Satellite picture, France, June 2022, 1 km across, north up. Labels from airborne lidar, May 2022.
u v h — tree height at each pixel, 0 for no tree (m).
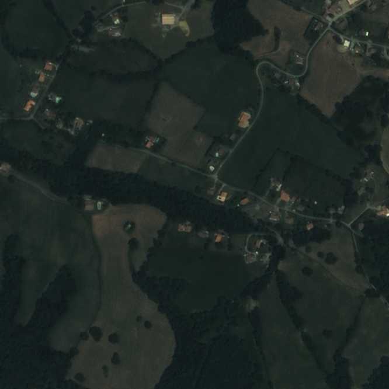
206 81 0
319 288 0
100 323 0
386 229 15
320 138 0
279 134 0
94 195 13
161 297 28
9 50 15
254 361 0
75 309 0
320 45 0
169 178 0
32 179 0
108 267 0
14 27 0
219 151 0
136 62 0
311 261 0
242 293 10
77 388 23
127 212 0
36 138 0
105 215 0
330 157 0
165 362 0
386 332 0
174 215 17
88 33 20
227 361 20
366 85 0
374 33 0
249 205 0
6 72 0
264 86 0
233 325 18
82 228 0
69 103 0
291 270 0
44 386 24
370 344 0
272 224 13
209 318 22
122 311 0
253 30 25
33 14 0
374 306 0
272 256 10
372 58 13
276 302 0
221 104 0
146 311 0
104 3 0
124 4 8
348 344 0
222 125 0
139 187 21
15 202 0
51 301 25
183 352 19
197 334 20
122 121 0
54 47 0
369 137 0
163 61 9
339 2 0
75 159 23
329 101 0
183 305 0
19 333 25
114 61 0
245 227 26
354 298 0
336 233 0
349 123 0
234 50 23
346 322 0
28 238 0
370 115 16
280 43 0
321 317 0
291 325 0
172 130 0
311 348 7
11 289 31
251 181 0
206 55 0
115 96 0
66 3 0
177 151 0
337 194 0
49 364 26
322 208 0
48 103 11
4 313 25
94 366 0
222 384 19
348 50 0
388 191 0
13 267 29
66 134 13
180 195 21
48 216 0
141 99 0
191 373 17
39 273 0
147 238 0
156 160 0
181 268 0
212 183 0
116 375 0
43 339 24
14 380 23
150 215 0
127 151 0
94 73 12
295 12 0
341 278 0
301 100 14
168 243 0
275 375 0
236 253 0
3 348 31
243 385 18
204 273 0
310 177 0
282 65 0
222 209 22
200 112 0
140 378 0
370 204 0
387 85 15
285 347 0
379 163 14
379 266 14
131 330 0
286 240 6
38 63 0
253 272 0
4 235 0
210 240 15
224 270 0
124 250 0
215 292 0
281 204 0
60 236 0
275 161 0
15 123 9
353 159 0
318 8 0
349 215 0
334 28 15
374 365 0
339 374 24
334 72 0
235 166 0
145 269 16
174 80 0
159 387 23
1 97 0
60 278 23
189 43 15
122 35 0
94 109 0
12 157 24
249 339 0
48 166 22
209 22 0
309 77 0
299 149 0
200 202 22
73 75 0
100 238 0
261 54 0
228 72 0
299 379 0
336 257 11
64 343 0
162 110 0
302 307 0
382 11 0
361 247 0
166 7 0
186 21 0
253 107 9
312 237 15
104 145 0
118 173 14
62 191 21
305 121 0
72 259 0
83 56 0
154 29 0
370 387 26
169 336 0
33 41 0
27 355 29
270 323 0
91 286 0
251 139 0
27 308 0
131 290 0
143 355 0
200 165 0
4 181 0
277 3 0
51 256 0
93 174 25
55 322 12
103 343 0
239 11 22
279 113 0
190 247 0
